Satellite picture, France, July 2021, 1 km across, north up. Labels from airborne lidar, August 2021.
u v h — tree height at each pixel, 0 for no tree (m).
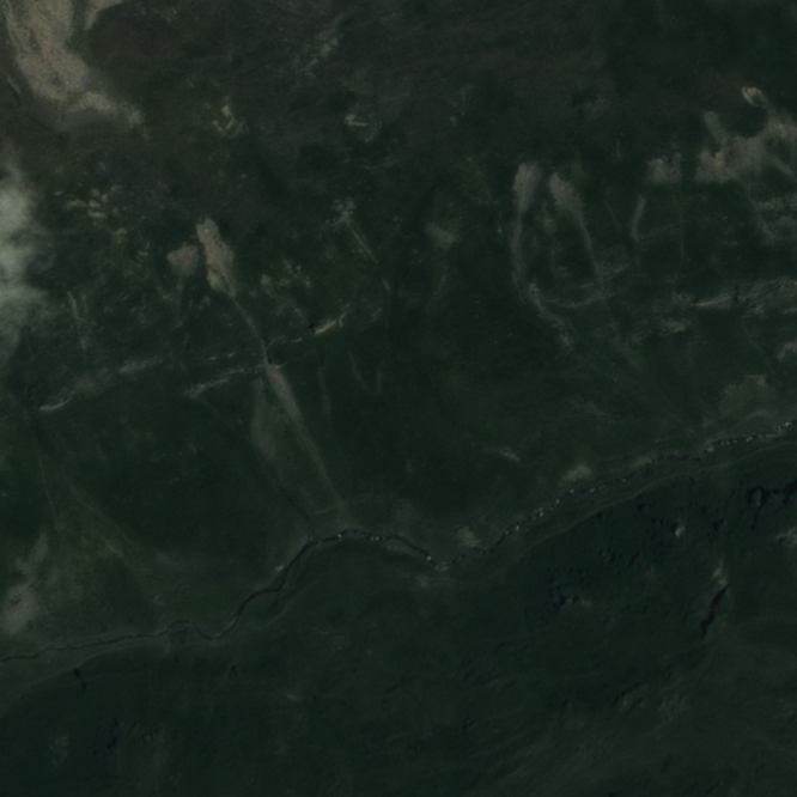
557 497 0
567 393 0
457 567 0
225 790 0
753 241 0
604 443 0
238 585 0
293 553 0
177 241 0
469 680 0
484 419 0
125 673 0
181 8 0
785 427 0
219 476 0
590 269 0
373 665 0
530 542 0
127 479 0
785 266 0
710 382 0
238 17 0
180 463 0
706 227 0
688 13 0
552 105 0
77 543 0
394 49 0
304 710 0
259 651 0
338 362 0
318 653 0
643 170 0
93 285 0
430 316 0
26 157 0
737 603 0
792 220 0
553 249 0
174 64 0
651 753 0
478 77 0
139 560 0
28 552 0
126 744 0
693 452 0
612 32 0
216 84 0
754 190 0
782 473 0
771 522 0
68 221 0
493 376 0
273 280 0
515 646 0
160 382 0
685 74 0
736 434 0
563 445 0
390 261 0
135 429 0
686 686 0
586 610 0
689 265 0
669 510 0
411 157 0
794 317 0
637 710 0
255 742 0
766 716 0
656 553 7
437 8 0
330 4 0
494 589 0
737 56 0
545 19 0
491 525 0
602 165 0
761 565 0
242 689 0
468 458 0
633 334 0
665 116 0
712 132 0
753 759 0
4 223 0
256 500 0
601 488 0
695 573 0
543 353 0
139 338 0
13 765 0
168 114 0
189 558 0
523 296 0
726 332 0
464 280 0
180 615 0
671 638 0
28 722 0
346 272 0
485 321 0
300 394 0
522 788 0
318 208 0
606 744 0
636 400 0
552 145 0
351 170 0
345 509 0
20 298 0
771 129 0
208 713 0
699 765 0
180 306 0
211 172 0
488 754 0
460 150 0
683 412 0
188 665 0
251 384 0
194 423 0
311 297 0
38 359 0
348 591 0
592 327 0
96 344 0
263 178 0
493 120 0
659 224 0
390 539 0
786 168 0
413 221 0
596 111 0
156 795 0
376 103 0
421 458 0
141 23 0
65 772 0
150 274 0
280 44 0
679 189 0
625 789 0
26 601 0
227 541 0
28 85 0
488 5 0
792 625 0
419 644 0
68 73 0
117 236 0
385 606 0
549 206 0
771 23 0
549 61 0
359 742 0
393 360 0
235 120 0
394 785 0
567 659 0
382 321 0
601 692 0
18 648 0
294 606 0
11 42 0
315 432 0
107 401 0
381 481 0
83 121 0
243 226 0
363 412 0
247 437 0
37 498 0
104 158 0
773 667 0
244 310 0
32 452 0
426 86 0
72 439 0
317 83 0
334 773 0
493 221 0
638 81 0
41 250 0
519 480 0
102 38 0
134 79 0
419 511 0
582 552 0
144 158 0
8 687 0
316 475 0
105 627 0
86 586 0
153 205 0
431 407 0
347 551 0
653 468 0
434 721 0
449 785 0
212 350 0
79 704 0
